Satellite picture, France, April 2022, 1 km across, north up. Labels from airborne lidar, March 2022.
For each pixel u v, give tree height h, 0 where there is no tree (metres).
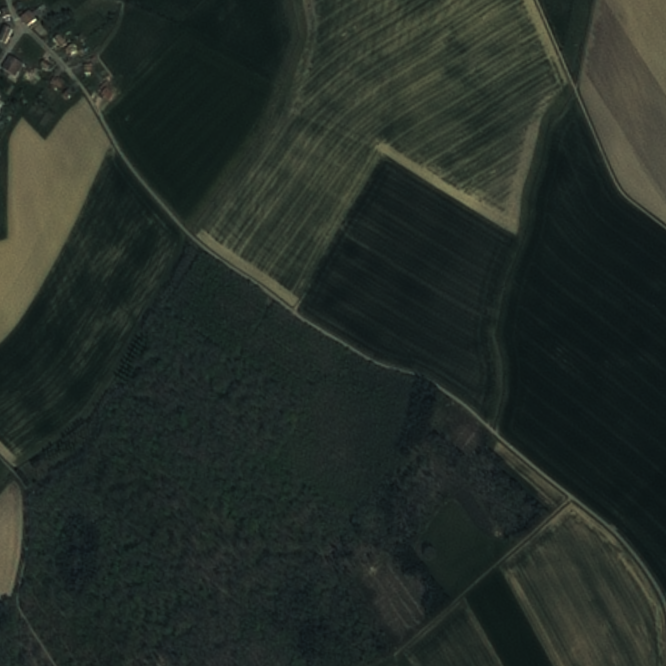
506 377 0
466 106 0
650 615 0
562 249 0
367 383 14
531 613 0
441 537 0
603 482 0
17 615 15
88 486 23
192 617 25
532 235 0
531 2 0
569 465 0
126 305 0
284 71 0
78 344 0
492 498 19
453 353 0
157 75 0
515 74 0
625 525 0
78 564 25
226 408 26
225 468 24
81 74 0
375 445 17
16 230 0
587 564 0
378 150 0
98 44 0
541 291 0
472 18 0
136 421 26
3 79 0
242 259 0
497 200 0
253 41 0
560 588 0
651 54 0
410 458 24
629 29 0
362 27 0
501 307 0
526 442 0
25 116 0
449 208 0
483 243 0
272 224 0
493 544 0
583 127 0
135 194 0
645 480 0
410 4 0
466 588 0
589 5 0
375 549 23
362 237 0
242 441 26
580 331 0
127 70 0
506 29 0
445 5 0
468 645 0
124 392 21
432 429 23
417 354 0
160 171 0
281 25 0
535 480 0
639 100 0
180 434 25
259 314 12
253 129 0
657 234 0
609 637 0
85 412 0
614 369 0
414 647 0
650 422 0
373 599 0
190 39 0
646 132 0
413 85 0
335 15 0
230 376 24
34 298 0
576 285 0
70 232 0
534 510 17
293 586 25
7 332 0
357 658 18
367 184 0
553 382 0
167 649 22
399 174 0
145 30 0
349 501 14
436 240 0
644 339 0
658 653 0
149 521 22
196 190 0
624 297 0
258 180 0
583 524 0
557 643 0
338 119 0
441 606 19
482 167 0
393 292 0
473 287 0
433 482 25
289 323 14
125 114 0
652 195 0
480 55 0
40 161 0
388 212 0
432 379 0
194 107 0
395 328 0
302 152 0
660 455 0
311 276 0
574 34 0
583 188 0
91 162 0
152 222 0
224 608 28
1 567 0
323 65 0
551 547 0
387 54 0
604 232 0
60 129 0
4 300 0
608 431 0
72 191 0
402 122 0
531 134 0
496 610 0
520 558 0
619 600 0
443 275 0
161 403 27
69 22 7
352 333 0
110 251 0
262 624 25
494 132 0
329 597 24
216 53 0
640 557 0
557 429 0
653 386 0
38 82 0
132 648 28
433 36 0
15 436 0
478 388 0
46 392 0
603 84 0
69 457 0
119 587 21
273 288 0
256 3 0
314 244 0
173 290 17
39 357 0
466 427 0
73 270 0
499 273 0
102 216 0
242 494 20
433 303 0
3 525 0
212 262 11
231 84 0
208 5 0
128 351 0
